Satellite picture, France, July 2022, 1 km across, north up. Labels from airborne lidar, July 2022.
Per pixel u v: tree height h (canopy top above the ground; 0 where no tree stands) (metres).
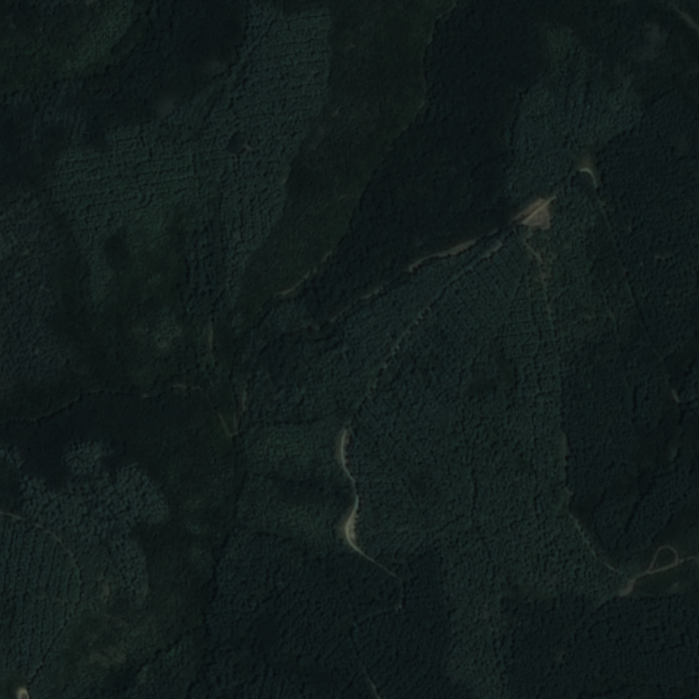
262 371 10
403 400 12
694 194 22
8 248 18
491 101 13
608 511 25
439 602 17
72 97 21
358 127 10
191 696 22
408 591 15
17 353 15
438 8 7
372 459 15
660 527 22
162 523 7
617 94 13
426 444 16
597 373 20
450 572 11
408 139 15
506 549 15
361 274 16
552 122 14
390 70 10
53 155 16
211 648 10
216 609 23
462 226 14
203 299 24
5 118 21
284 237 8
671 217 14
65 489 19
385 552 16
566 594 13
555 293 9
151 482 16
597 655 22
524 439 17
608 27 8
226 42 18
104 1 15
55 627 12
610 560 7
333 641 22
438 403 14
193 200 17
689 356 13
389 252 17
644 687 19
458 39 13
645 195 20
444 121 14
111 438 15
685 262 20
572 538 11
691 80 9
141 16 16
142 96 16
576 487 20
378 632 16
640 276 21
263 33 18
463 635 12
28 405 7
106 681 11
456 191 18
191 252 20
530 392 17
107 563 12
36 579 16
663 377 26
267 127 17
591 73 9
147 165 16
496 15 12
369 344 17
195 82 12
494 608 10
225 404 12
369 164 7
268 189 15
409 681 17
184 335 7
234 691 9
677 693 19
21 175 14
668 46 10
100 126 13
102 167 12
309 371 8
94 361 8
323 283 17
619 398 24
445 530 13
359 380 17
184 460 16
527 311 8
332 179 11
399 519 8
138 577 15
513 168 12
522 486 13
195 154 13
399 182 15
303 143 7
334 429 12
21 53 15
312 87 19
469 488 16
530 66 14
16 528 16
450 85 12
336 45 15
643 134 23
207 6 18
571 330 10
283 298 6
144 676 21
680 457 21
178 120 14
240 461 9
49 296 16
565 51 8
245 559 21
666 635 23
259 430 11
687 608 20
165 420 15
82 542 13
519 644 20
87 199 15
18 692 0
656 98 14
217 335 8
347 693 17
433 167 14
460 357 12
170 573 5
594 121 16
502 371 7
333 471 11
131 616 8
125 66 18
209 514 9
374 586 20
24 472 14
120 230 12
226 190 17
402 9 6
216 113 17
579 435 21
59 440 19
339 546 10
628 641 21
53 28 6
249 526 13
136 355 9
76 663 12
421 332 14
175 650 15
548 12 17
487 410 17
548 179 15
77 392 9
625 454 24
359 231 16
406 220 17
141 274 10
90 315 7
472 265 16
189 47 17
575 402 20
